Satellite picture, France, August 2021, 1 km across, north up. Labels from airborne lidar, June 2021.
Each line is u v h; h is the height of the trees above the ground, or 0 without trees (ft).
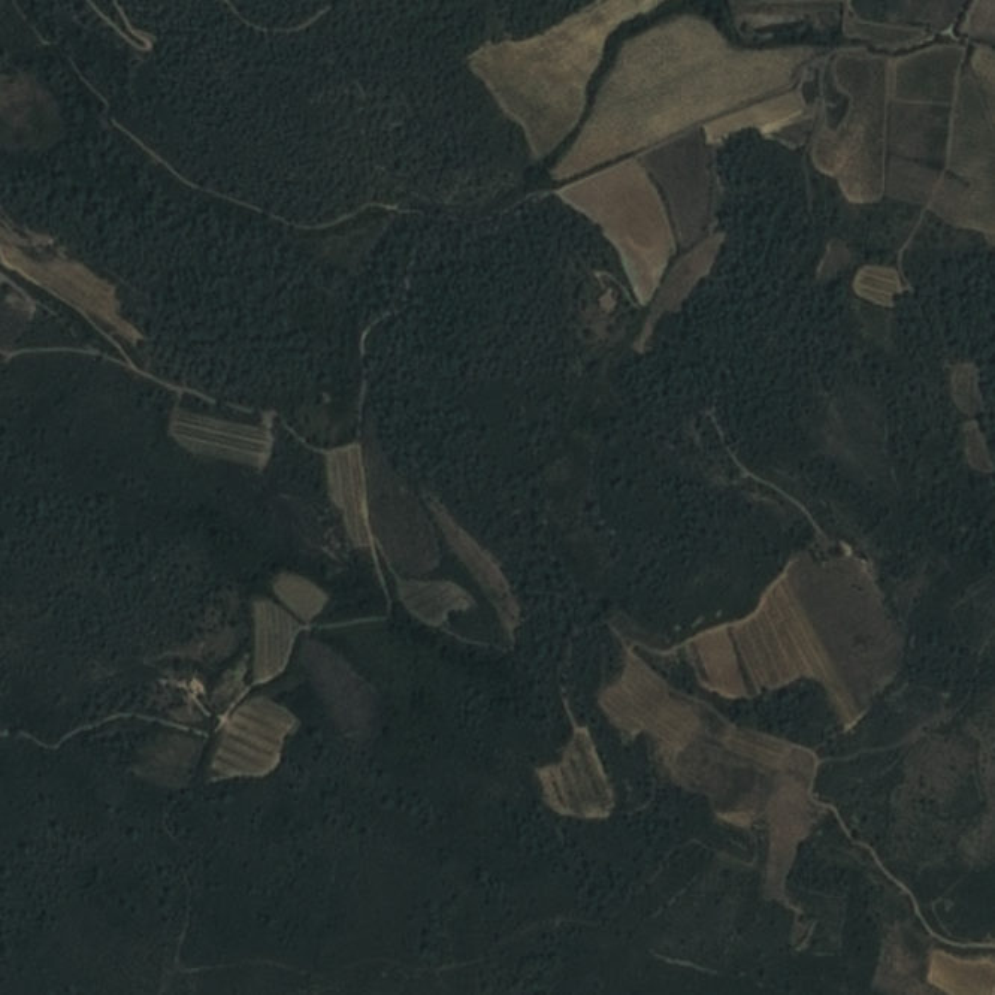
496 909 27
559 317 44
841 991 0
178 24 45
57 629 23
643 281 0
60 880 27
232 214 27
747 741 0
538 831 28
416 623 29
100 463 27
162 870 31
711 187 0
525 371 27
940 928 0
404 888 0
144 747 35
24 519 33
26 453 25
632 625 0
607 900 22
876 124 0
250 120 37
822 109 0
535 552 32
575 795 0
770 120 0
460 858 0
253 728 0
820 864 43
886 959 0
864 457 0
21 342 25
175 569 17
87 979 0
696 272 0
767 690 32
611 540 22
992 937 0
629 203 0
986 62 0
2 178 37
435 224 26
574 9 37
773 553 24
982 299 27
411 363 30
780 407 34
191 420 0
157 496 21
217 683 28
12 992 0
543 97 0
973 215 0
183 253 45
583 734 0
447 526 0
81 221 46
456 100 24
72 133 20
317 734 43
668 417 21
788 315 33
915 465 17
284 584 0
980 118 0
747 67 0
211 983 0
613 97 0
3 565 24
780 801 0
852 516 0
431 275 22
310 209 32
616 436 23
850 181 0
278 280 42
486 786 0
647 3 0
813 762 0
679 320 20
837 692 0
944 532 23
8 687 35
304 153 27
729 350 29
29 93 0
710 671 0
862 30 0
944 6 0
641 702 0
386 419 32
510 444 0
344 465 0
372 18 39
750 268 36
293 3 28
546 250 29
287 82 23
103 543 44
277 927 21
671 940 0
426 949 37
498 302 25
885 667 0
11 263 0
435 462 37
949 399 31
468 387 22
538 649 43
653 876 0
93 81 37
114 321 0
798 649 0
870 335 0
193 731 23
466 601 0
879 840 22
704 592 0
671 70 0
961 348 34
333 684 0
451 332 26
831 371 28
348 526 0
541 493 51
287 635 0
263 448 0
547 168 33
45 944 0
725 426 24
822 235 39
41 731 18
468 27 37
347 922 0
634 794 0
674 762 0
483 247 29
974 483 39
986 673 27
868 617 0
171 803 23
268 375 35
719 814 0
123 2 34
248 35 25
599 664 0
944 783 0
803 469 25
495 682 32
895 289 0
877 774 0
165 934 0
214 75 33
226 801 25
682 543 22
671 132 0
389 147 45
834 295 44
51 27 48
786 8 0
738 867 0
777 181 18
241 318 36
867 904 25
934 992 0
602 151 0
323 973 0
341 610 22
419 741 19
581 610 37
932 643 20
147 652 19
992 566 41
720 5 29
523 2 25
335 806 24
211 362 24
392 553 0
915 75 0
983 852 0
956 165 0
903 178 0
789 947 27
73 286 0
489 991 33
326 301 27
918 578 0
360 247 0
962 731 0
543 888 0
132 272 36
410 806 35
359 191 47
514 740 0
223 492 31
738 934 17
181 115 33
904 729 0
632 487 33
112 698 26
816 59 0
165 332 40
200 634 27
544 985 40
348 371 20
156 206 43
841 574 0
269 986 0
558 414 31
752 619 0
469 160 22
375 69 26
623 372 24
